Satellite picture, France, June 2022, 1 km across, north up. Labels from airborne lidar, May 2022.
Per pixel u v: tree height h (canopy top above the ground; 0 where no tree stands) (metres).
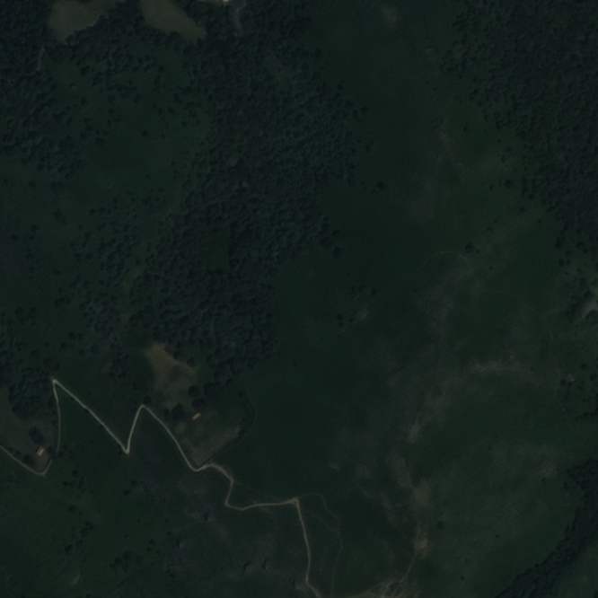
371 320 0
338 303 0
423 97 0
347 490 0
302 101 10
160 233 7
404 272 0
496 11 7
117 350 10
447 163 0
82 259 8
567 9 25
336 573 0
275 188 13
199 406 22
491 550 0
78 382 0
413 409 0
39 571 0
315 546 0
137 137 0
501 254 0
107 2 0
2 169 0
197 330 26
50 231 0
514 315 0
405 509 0
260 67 14
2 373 17
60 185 11
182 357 13
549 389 0
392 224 0
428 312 0
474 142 0
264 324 28
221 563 0
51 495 0
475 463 0
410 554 0
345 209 0
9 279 0
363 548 0
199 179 11
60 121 17
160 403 0
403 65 0
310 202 16
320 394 0
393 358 0
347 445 0
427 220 0
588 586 0
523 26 18
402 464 0
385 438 0
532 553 0
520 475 0
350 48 0
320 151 15
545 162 12
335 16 0
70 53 15
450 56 16
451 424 0
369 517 0
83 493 7
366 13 0
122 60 14
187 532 0
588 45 17
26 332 0
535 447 0
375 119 0
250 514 0
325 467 0
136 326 15
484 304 0
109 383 0
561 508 0
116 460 0
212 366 10
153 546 9
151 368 0
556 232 0
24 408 20
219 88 14
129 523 0
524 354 0
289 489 0
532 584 19
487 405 0
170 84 0
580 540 17
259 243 16
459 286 0
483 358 0
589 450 0
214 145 8
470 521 0
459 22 10
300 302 0
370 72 0
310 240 16
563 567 16
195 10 15
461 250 0
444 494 0
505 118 13
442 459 0
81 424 0
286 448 0
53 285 0
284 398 0
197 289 20
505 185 10
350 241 0
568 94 14
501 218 0
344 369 0
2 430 0
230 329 14
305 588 0
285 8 14
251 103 27
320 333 0
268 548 0
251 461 0
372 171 0
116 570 7
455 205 0
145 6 0
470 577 0
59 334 0
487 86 13
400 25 0
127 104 0
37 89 18
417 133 0
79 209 0
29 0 20
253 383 0
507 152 8
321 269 0
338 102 10
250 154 20
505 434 0
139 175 0
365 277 0
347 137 15
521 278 0
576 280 7
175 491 0
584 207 21
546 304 0
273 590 0
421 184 0
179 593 0
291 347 0
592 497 17
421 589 0
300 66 12
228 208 19
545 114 14
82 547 9
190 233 26
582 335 0
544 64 19
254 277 22
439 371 0
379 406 0
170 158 0
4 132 8
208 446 0
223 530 0
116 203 9
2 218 0
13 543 0
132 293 15
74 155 16
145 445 0
